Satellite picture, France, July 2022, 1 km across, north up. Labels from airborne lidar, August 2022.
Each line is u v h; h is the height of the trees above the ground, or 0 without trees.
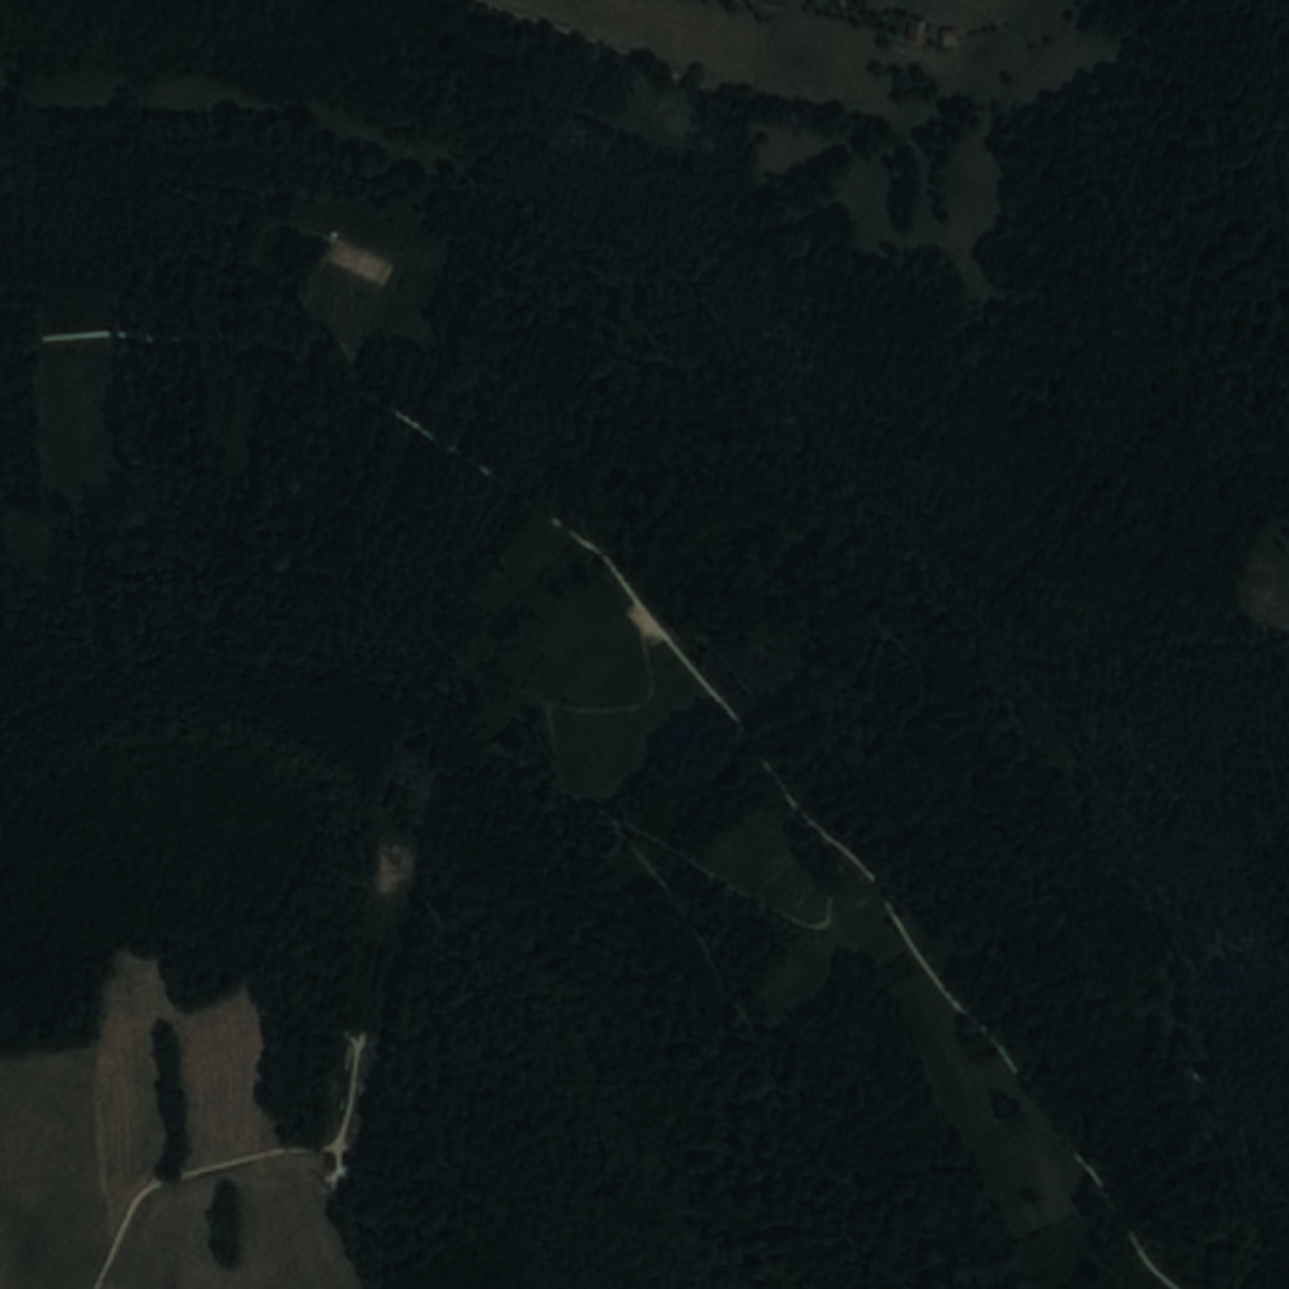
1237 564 24
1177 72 28
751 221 19
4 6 17
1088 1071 24
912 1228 25
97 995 13
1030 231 16
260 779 7
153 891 11
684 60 0
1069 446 23
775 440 23
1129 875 13
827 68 0
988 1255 27
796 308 16
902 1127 16
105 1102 0
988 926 17
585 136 15
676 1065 25
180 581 33
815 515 25
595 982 34
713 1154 31
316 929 19
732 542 6
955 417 24
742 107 18
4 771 15
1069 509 11
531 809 25
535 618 21
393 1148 21
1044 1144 0
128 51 22
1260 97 23
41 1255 0
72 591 32
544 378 25
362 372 9
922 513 23
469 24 23
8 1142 0
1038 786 19
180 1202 0
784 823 9
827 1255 31
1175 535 16
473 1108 22
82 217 20
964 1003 16
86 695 20
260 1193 0
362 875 19
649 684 0
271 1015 15
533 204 17
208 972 14
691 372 21
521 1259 13
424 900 7
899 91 9
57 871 14
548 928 26
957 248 0
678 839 11
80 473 0
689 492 30
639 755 0
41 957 16
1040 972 13
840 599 26
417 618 23
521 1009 14
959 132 15
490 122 19
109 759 10
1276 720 21
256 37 24
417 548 24
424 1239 22
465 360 27
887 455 16
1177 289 27
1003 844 25
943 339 22
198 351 26
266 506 18
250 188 8
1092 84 20
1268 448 27
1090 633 17
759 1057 21
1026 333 24
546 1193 16
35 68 22
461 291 5
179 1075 13
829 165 20
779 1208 29
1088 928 14
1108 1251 23
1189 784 25
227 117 20
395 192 15
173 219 17
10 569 31
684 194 21
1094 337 26
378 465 26
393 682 16
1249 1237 10
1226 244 32
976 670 17
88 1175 0
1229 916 23
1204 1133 24
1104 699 20
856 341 19
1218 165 30
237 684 18
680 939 18
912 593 20
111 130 18
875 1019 20
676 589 6
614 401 24
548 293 20
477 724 23
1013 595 14
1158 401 13
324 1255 0
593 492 8
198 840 10
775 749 19
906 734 14
